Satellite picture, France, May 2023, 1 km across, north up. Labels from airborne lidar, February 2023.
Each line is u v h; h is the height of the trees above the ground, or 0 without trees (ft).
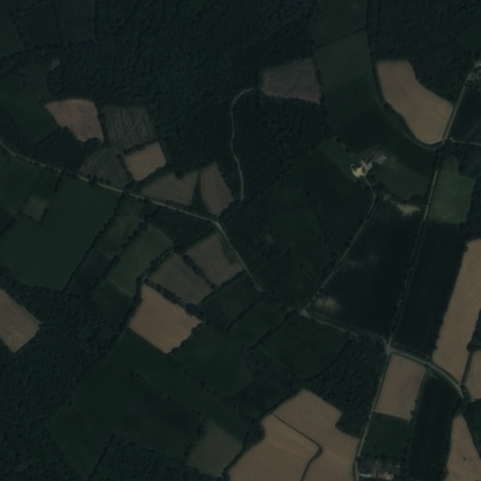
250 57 22
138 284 38
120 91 71
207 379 0
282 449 0
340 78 0
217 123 20
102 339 25
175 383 0
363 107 0
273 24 76
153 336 0
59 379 58
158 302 0
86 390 0
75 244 0
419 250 23
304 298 0
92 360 47
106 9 62
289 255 24
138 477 44
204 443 0
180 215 49
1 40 0
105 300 0
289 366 0
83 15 0
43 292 47
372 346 61
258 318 0
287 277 0
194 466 0
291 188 29
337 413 0
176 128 37
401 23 61
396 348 0
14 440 38
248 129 19
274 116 25
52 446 26
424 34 70
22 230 0
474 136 0
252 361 26
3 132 48
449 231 0
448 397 0
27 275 0
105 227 38
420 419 0
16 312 0
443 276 0
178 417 0
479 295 0
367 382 70
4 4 0
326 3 0
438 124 0
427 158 0
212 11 71
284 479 0
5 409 28
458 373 0
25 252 0
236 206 58
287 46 18
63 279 0
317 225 0
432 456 0
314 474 0
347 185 0
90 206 0
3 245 0
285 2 75
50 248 0
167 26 53
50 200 0
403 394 0
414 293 0
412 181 0
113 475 40
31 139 0
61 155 51
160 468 38
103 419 0
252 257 63
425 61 54
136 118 0
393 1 72
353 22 0
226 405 31
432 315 0
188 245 69
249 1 61
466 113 0
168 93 74
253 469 0
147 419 0
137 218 0
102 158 0
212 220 23
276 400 0
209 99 69
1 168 0
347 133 0
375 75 29
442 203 0
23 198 0
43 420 61
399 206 0
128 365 0
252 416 0
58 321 54
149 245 0
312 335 0
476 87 30
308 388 46
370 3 58
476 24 48
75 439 0
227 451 0
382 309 0
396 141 0
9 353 42
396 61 36
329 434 0
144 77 73
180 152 32
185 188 0
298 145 60
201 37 68
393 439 0
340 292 0
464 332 0
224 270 0
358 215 0
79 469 0
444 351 0
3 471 44
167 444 0
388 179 0
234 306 0
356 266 0
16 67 47
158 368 0
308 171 0
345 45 0
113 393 0
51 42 0
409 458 0
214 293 22
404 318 0
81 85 55
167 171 47
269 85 0
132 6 24
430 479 0
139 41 28
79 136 0
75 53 62
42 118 0
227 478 48
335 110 0
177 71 48
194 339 0
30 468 31
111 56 50
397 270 0
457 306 0
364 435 0
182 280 0
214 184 0
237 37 65
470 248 0
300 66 0
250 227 56
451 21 73
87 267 0
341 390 57
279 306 34
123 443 47
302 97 0
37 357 43
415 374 0
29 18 0
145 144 23
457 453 0
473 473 0
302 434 0
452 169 0
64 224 0
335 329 23
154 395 0
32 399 53
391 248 0
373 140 0
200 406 0
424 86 44
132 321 0
